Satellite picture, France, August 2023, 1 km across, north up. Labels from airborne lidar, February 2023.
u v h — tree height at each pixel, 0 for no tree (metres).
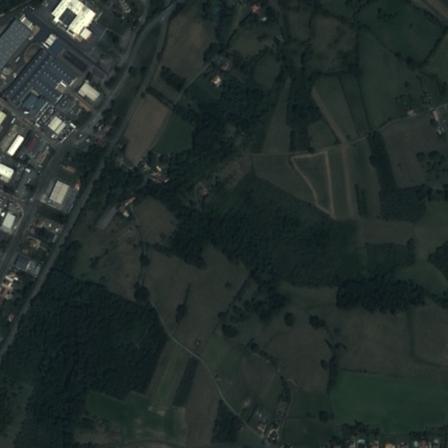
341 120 0
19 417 0
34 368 7
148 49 0
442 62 0
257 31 0
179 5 10
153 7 0
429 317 0
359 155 0
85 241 0
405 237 0
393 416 0
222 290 0
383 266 7
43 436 6
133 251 0
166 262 0
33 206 0
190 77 0
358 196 8
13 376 6
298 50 0
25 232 0
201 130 16
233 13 27
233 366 0
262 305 16
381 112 0
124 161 0
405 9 0
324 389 0
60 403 9
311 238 7
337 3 0
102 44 0
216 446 0
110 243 0
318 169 0
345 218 0
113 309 13
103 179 13
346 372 0
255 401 0
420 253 0
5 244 10
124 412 0
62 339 18
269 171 0
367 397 0
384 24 0
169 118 0
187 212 20
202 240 31
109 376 20
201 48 0
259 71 0
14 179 0
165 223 0
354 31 0
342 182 0
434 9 0
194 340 0
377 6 0
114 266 0
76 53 0
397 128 0
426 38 0
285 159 0
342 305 18
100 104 0
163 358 0
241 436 0
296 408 0
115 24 0
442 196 24
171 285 0
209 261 0
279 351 0
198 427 0
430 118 0
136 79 0
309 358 0
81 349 25
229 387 0
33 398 9
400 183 0
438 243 0
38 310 20
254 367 0
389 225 0
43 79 0
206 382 0
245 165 0
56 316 11
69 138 0
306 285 6
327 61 0
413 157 0
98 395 0
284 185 0
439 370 0
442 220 0
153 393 0
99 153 13
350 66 0
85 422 18
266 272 14
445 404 0
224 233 17
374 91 0
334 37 0
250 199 14
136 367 12
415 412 0
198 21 0
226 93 6
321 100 0
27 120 0
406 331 0
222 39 30
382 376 0
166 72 6
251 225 11
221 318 13
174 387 0
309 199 0
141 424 0
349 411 0
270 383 0
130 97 0
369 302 32
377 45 0
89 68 0
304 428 0
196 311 0
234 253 6
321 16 0
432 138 0
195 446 0
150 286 0
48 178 0
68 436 21
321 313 0
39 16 0
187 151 6
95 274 0
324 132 0
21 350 6
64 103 0
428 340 0
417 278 0
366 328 0
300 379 0
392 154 0
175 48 0
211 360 0
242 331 0
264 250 11
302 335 0
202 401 0
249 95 14
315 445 0
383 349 0
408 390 0
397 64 0
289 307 0
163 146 0
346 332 0
